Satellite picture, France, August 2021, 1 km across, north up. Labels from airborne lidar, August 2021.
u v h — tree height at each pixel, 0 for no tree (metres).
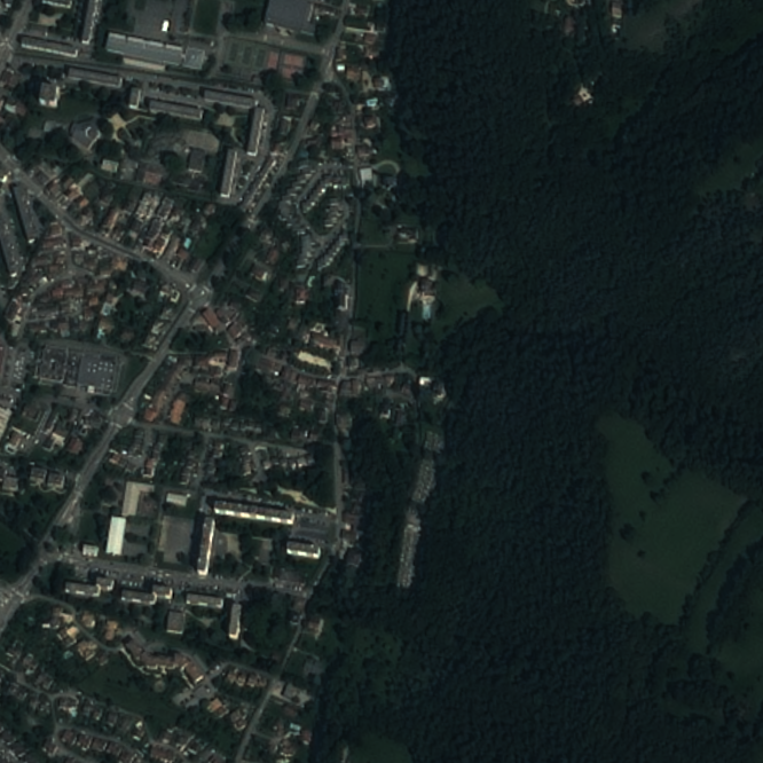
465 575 13
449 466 9
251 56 0
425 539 15
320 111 9
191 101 0
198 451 14
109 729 8
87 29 0
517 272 18
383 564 15
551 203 18
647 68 21
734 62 20
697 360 10
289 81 0
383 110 6
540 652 28
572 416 20
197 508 0
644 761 29
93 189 0
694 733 20
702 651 0
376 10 9
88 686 0
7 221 0
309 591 0
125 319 14
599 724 28
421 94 27
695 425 20
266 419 8
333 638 0
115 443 6
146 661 0
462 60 23
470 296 0
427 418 9
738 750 21
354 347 0
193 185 0
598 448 23
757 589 12
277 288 7
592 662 28
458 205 28
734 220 11
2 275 0
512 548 15
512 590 20
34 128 0
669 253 19
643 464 0
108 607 11
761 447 17
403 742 20
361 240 15
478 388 27
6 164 0
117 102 12
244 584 0
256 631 32
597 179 35
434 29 25
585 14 16
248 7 0
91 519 0
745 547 0
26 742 12
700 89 22
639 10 13
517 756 31
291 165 9
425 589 22
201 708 7
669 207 21
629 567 0
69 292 0
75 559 0
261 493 9
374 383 0
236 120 0
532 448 25
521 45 17
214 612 11
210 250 0
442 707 22
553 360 33
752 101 32
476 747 28
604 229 16
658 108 26
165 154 8
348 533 0
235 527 11
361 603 28
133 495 0
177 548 0
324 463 18
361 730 20
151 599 0
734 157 12
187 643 11
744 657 0
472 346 30
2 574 15
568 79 14
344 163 8
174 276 0
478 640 27
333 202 0
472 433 19
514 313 23
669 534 0
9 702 6
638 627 25
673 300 18
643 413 26
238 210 11
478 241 20
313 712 20
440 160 31
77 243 0
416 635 17
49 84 0
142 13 0
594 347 20
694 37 9
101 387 0
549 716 24
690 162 30
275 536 19
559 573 21
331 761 22
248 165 7
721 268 20
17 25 0
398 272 0
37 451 0
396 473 21
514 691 22
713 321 17
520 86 25
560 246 21
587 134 24
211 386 0
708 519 0
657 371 13
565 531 25
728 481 20
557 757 25
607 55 16
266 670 12
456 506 12
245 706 0
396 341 10
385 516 23
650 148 28
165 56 0
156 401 0
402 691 7
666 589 0
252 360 19
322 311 8
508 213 33
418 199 37
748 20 25
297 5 0
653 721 21
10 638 9
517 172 30
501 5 18
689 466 15
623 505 0
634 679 22
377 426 26
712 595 0
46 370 0
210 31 0
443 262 20
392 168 0
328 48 0
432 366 20
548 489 25
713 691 22
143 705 0
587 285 19
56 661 5
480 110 23
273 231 6
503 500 15
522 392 19
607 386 26
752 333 17
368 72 0
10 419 10
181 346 10
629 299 14
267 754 12
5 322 12
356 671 11
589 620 20
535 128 13
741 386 20
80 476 0
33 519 21
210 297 0
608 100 15
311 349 11
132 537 10
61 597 10
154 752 0
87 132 0
